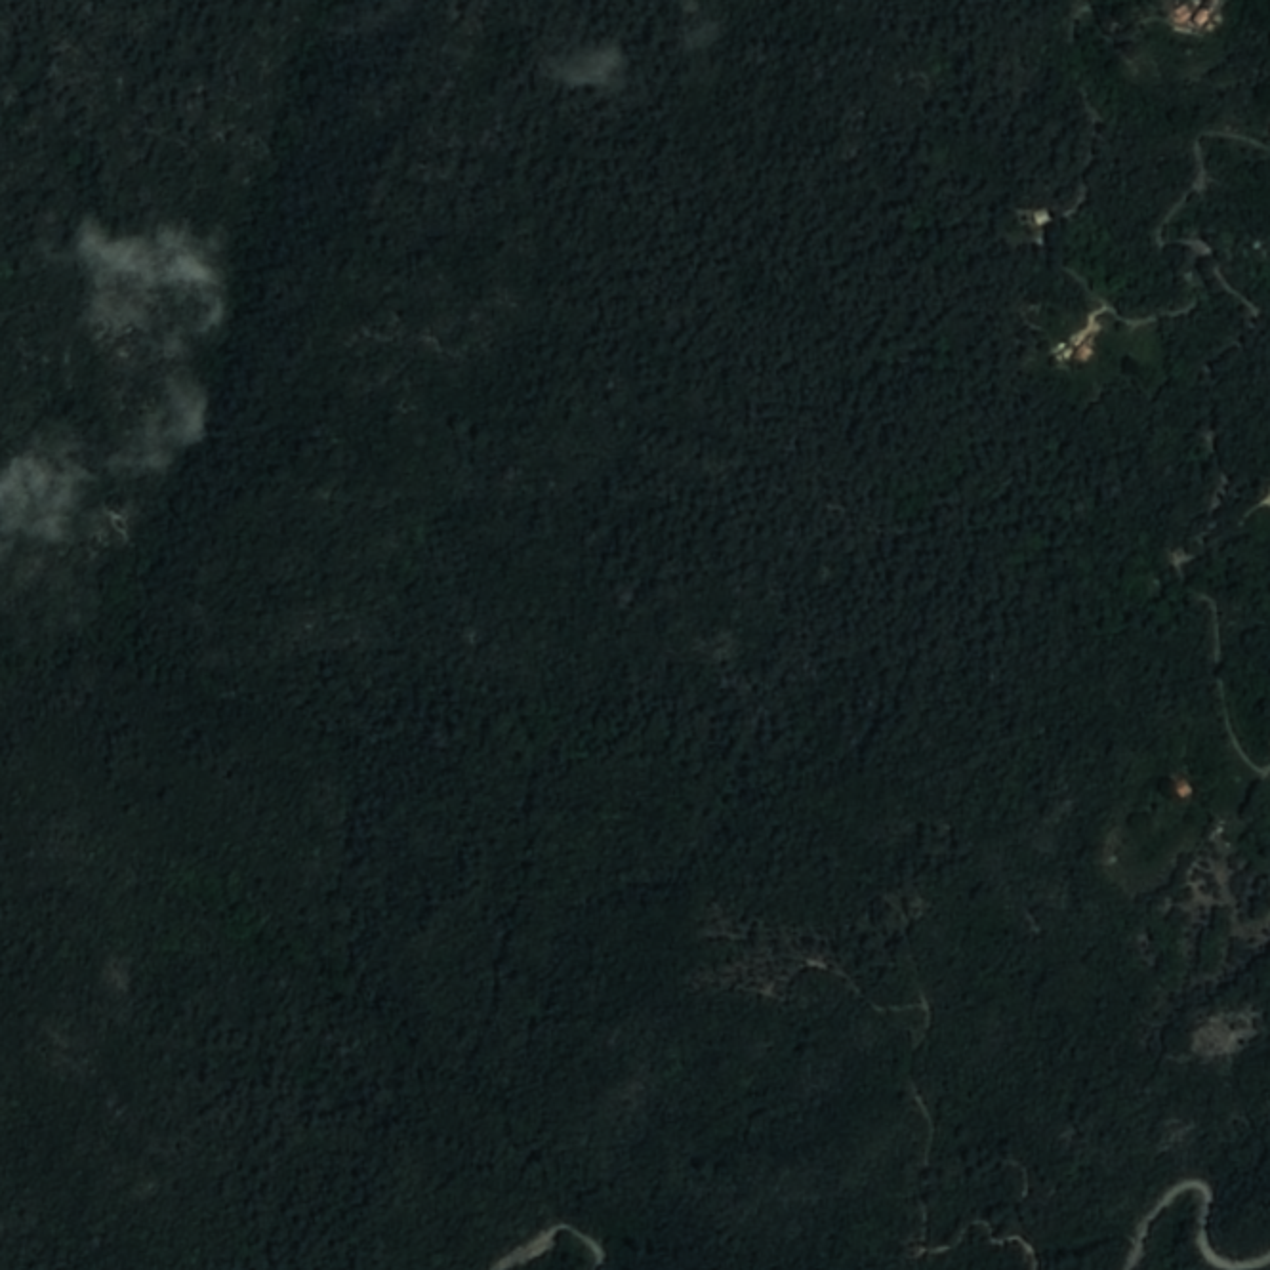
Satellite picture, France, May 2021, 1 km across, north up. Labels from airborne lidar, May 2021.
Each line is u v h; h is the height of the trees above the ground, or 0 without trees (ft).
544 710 65
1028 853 38
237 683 40
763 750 52
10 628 40
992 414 78
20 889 20
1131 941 57
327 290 30
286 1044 60
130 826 18
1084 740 47
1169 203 23
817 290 25
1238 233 23
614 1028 34
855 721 37
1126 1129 35
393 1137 49
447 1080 39
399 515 41
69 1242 40
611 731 45
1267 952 24
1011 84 61
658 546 37
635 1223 19
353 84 30
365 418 39
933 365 37
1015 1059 33
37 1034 27
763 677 27
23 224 35
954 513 88
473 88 20
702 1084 33
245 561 48
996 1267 24
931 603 54
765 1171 28
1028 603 73
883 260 71
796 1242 33
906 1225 36
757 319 61
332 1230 54
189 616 23
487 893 32
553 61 74
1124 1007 55
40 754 21
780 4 38
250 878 21
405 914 34
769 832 58
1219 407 62
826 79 43
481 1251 47
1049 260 52
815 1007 30
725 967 52
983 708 39
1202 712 41
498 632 33
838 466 68
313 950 39
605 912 39
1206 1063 26
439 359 26
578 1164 38
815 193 31
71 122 52
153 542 38
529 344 34
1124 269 56
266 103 21
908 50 56
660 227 61
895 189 33
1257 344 56
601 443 19
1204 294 34
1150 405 50
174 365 18
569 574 31
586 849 29
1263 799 55
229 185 23
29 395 35
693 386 51
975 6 71
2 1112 39
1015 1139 53
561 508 27
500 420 22
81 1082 21
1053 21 20
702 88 50
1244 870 24
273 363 22
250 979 23
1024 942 43
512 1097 52
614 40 76
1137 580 49
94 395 36
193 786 29
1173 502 41
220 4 56
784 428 66
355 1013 45
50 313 18
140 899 39
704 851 22
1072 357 20
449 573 22
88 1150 22
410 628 41
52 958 39
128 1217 36
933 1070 44
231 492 37
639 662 25
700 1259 23
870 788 47
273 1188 78
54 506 42
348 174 35
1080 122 54
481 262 30
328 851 26
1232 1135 47
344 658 57
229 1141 33
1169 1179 20
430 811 24
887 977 67
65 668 31
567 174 67
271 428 26
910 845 41
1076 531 28
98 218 53
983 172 24
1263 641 53
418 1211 35
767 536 60
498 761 48
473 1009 41
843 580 21
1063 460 60
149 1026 38
